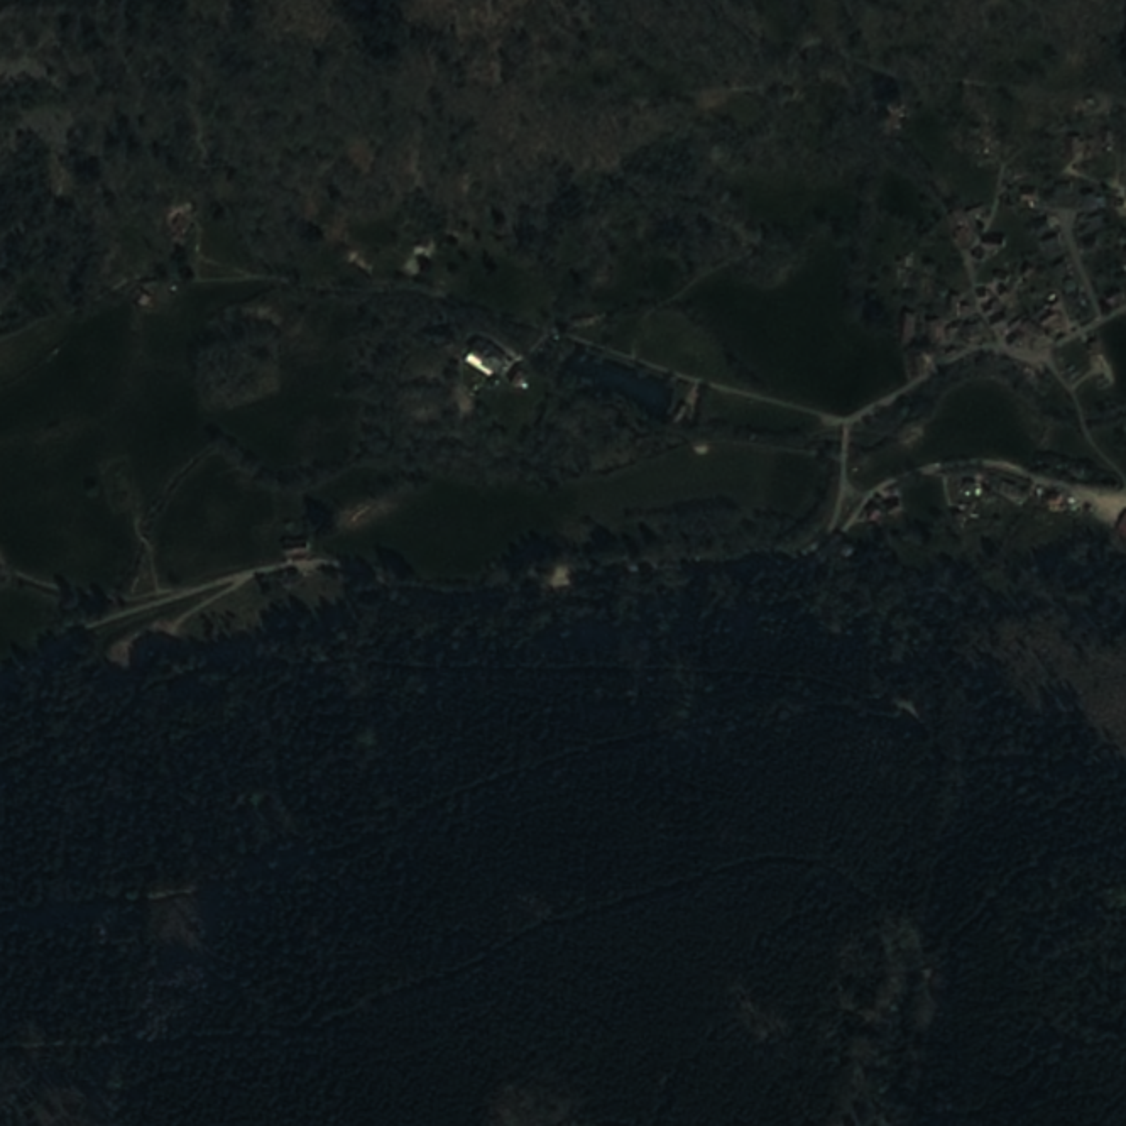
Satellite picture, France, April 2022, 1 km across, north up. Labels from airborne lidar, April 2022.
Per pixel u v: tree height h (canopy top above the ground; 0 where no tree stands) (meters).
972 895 26
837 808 20
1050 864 15
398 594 22
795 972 22
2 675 0
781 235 14
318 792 25
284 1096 22
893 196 0
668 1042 22
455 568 0
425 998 20
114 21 8
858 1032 33
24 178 18
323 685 30
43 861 34
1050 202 8
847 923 26
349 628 26
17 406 0
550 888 21
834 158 20
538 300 0
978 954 11
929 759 20
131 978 34
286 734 31
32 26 24
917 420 20
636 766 24
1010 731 19
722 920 20
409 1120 26
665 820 22
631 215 12
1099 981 6
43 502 0
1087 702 0
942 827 28
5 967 34
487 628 19
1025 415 0
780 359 0
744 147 18
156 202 20
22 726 30
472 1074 22
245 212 15
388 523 0
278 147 26
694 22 19
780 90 20
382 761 17
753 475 0
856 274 16
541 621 15
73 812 31
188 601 0
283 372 0
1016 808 15
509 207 20
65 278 23
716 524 23
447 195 20
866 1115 27
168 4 33
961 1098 19
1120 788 25
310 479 18
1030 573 24
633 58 21
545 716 22
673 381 13
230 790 37
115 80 28
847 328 0
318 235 21
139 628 0
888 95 31
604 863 19
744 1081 27
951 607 23
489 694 20
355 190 18
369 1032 23
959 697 24
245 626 0
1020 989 7
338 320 0
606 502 0
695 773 27
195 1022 25
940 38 15
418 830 23
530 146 23
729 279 0
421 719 23
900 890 27
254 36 28
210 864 23
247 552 0
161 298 0
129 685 33
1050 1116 25
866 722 24
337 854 19
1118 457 0
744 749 23
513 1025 24
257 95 26
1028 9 19
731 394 0
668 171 9
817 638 20
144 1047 26
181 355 0
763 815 20
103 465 0
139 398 0
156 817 33
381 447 18
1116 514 0
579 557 25
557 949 20
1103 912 10
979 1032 16
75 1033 27
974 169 0
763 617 19
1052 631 0
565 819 20
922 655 8
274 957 30
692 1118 23
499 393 0
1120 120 18
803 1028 24
